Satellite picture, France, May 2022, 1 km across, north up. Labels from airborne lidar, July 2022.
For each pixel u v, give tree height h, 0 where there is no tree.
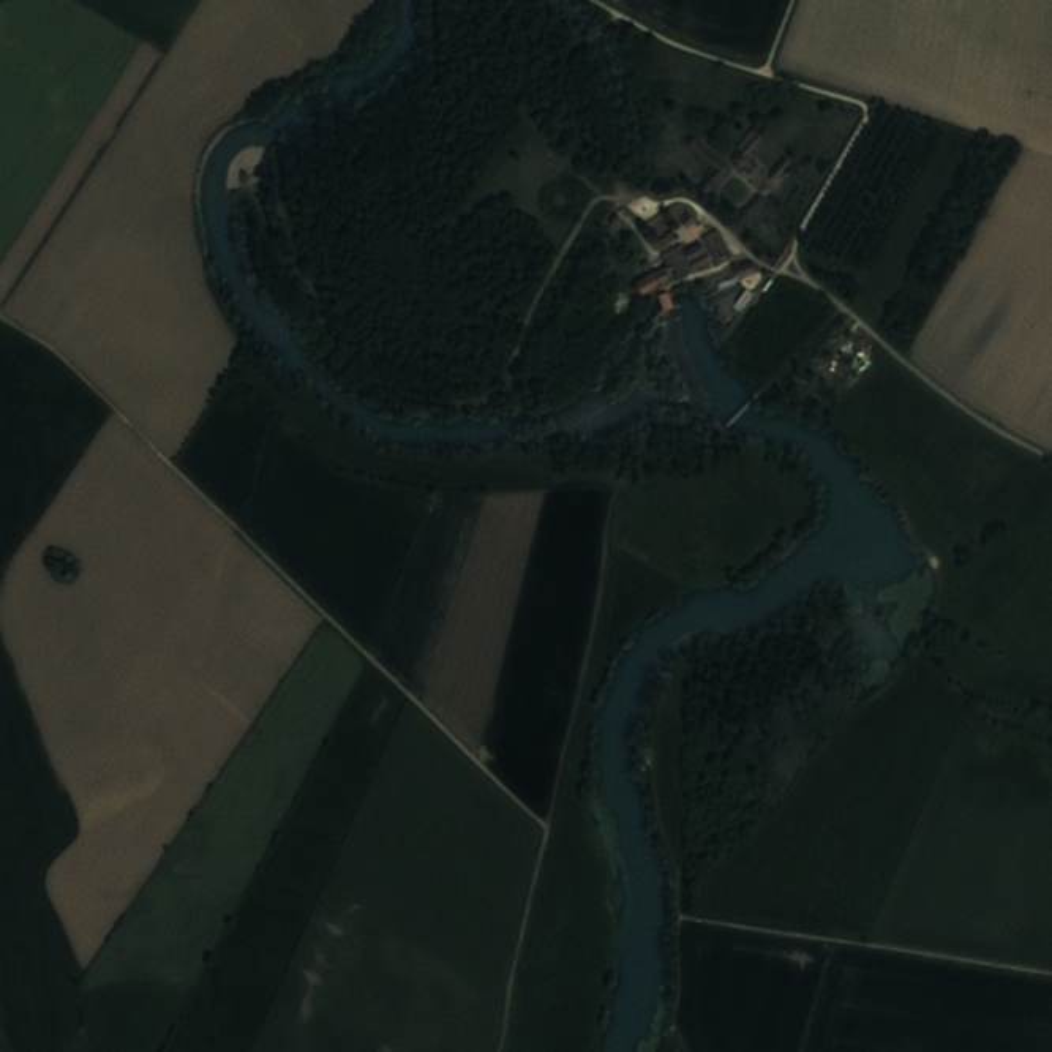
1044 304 0
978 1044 0
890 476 0
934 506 0
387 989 0
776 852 0
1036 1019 0
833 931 0
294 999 0
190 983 0
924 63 0
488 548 0
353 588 0
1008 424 0
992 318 0
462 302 6
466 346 15
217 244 0
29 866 0
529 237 13
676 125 0
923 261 18
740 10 0
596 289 19
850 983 0
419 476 0
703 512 0
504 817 0
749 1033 0
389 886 0
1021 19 0
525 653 0
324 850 0
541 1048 0
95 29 0
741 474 0
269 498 0
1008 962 0
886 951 0
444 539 0
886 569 0
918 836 0
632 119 21
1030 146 0
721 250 0
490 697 0
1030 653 0
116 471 0
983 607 0
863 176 22
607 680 7
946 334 0
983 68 0
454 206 14
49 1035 0
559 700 0
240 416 0
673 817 0
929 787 0
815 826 0
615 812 0
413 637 0
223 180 0
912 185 20
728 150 16
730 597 0
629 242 17
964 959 0
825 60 0
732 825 6
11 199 0
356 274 6
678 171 0
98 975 0
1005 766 0
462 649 0
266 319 0
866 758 0
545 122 13
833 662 17
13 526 0
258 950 0
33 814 0
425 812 0
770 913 0
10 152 0
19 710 0
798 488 0
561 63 13
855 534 0
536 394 20
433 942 0
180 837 0
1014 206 0
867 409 0
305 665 0
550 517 0
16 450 0
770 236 0
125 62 0
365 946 0
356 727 0
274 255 28
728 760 16
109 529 0
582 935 0
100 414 0
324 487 0
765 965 0
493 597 0
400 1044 0
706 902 0
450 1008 0
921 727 0
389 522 0
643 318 15
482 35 17
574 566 0
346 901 0
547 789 0
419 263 6
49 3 0
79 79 0
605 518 0
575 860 0
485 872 0
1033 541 0
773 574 0
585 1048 0
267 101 17
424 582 0
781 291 6
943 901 0
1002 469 0
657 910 0
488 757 0
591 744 7
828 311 7
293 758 0
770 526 0
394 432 0
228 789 0
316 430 0
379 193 17
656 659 0
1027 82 0
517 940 0
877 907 0
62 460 0
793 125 0
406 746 0
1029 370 0
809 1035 0
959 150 0
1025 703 0
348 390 20
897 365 0
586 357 18
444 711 0
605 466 14
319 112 31
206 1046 0
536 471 0
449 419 15
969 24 0
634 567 0
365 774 0
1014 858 0
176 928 0
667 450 17
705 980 0
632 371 16
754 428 0
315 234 26
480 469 0
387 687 0
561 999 0
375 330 17
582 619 0
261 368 6
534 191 0
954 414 0
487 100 11
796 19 0
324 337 21
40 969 0
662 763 0
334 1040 0
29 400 0
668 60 0
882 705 0
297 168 29
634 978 0
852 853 0
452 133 21
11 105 0
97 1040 0
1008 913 0
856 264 23
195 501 0
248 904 0
